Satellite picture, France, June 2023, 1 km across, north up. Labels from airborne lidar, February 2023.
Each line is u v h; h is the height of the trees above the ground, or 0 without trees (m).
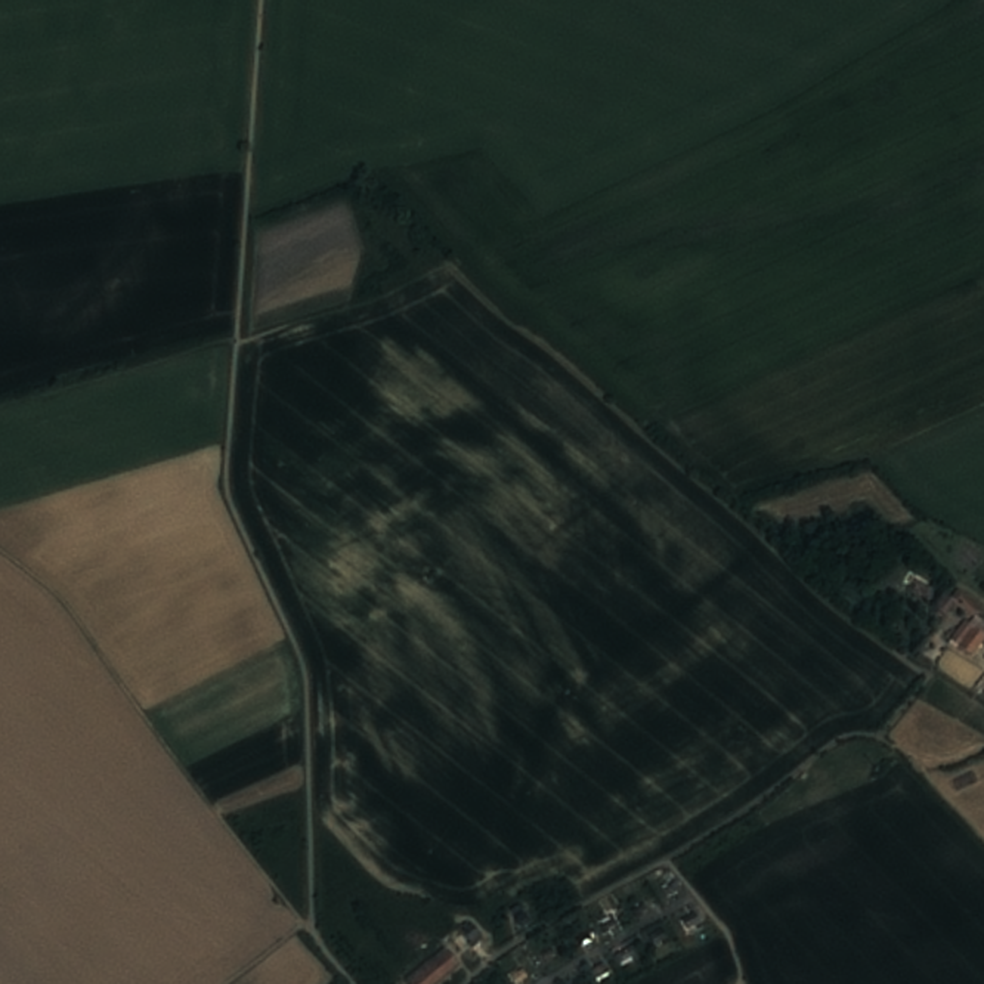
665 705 0
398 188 0
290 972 0
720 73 0
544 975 0
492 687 0
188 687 0
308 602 0
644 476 0
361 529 0
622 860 0
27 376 0
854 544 26
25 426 0
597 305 0
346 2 0
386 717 0
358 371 0
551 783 0
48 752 0
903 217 0
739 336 0
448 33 0
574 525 0
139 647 0
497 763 0
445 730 0
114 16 0
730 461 0
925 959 0
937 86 0
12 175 0
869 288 0
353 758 0
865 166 0
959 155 0
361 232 0
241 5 0
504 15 0
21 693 0
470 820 0
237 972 0
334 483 0
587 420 0
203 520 0
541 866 0
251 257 0
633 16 0
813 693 0
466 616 0
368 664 0
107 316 0
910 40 0
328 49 0
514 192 0
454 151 0
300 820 0
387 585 0
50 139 0
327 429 0
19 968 0
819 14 0
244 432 0
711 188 0
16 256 0
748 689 0
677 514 0
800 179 0
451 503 0
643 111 0
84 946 0
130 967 0
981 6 0
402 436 0
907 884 0
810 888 0
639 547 0
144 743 0
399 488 0
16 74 0
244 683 0
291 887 0
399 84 0
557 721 0
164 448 0
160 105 0
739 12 0
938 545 0
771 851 0
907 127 0
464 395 0
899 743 0
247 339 0
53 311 0
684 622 0
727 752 0
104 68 0
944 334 0
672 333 0
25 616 0
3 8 0
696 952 0
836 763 0
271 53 0
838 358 0
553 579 0
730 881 0
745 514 7
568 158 0
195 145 0
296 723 0
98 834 0
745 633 0
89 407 0
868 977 0
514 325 0
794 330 0
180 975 0
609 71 0
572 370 0
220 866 0
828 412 0
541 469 0
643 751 0
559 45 0
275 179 0
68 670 0
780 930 0
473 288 0
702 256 0
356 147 0
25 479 0
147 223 0
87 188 0
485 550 0
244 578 0
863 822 0
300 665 0
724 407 0
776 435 0
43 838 0
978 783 0
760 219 0
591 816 0
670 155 0
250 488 0
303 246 0
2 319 0
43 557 0
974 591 0
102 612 0
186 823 0
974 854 0
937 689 0
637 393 0
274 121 0
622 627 0
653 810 0
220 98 0
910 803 0
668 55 0
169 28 0
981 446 0
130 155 0
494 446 0
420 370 0
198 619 0
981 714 0
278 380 0
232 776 0
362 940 0
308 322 0
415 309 0
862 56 0
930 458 0
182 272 0
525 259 0
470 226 0
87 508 0
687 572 0
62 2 0
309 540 0
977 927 0
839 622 0
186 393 0
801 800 0
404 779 0
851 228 0
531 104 0
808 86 0
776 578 0
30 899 0
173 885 0
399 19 0
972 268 0
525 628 0
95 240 0
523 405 0
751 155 0
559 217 0
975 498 0
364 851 0
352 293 0
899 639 10
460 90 0
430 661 0
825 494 0
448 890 0
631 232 0
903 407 0
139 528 0
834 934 0
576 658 0
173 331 0
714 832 7
